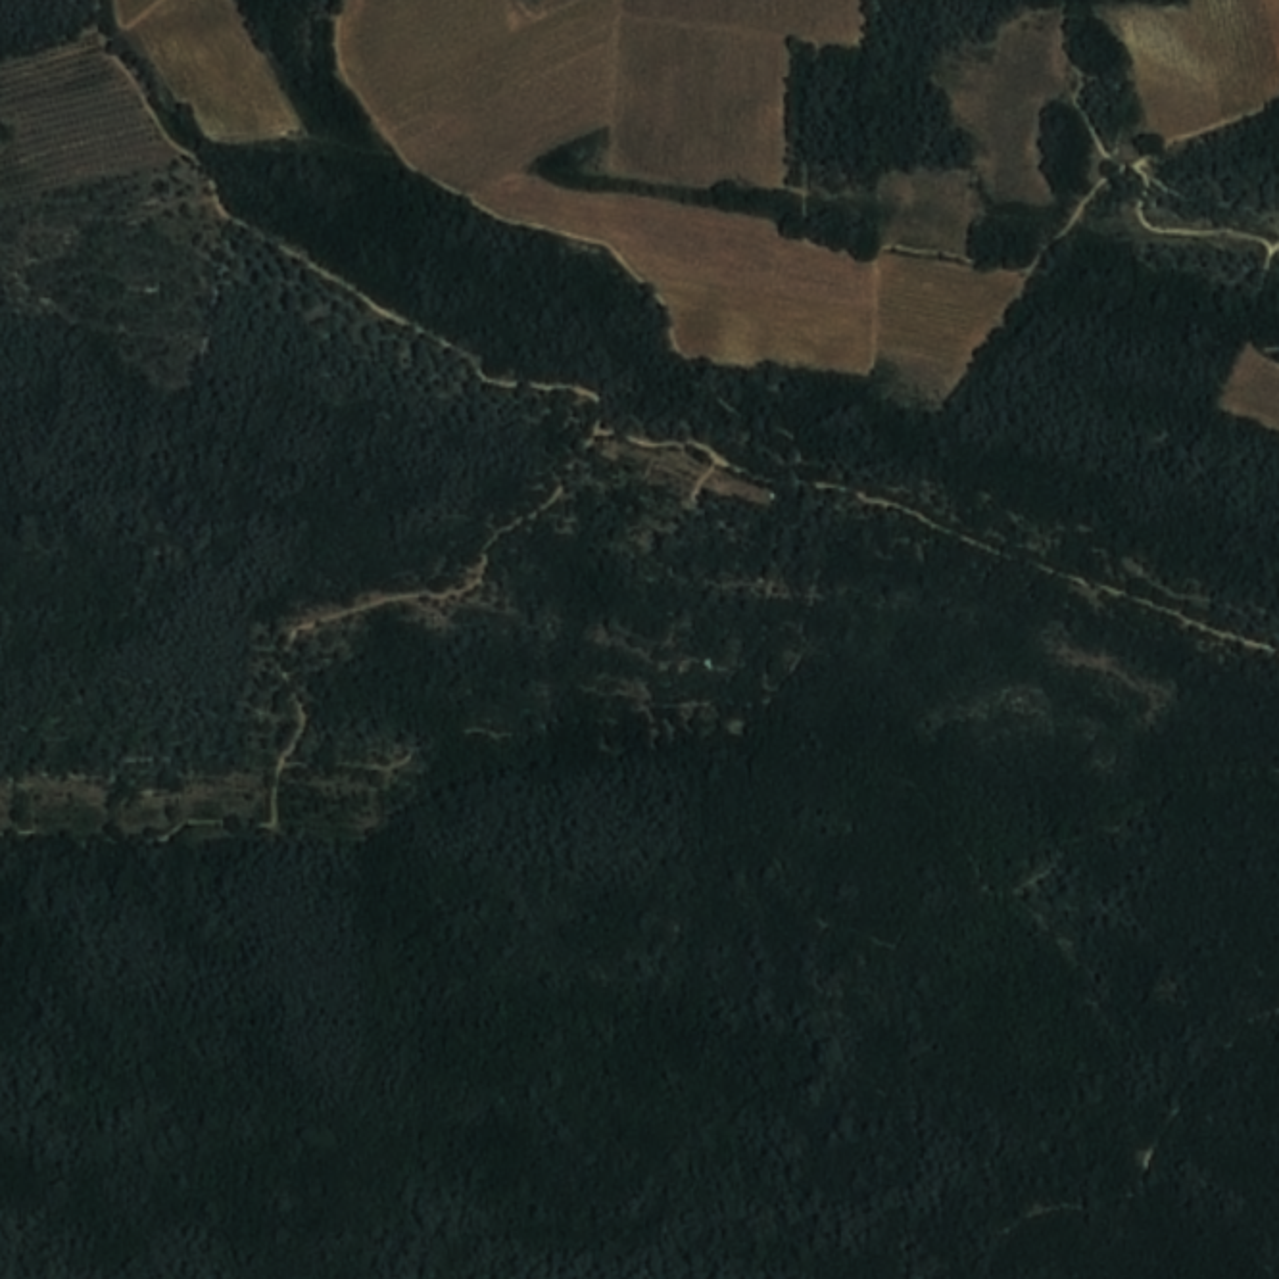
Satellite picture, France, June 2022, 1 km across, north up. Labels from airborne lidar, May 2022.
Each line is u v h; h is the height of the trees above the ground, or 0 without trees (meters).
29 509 6
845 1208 15
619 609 6
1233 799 7
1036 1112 7
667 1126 12
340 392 15
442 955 11
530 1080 9
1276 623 15
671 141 0
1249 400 0
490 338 15
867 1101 7
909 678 6
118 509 18
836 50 10
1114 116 11
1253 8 0
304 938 19
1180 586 7
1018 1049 6
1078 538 8
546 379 7
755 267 0
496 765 11
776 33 0
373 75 0
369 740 17
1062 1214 7
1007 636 11
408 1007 12
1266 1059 8
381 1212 8
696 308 0
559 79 0
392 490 6
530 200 0
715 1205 9
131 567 7
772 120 0
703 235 0
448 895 9
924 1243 8
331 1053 18
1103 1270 6
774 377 15
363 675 6
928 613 8
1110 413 13
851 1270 6
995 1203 14
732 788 9
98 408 14
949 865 9
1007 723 6
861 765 7
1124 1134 10
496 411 19
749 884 8
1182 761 6
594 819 23
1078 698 7
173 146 0
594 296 9
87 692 13
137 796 8
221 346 15
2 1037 7
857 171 11
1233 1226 5
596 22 0
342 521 6
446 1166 8
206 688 16
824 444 9
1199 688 8
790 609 6
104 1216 9
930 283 0
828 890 8
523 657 7
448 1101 12
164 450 14
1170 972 14
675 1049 14
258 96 0
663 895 9
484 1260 19
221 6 0
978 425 16
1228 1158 7
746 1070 11
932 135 16
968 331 0
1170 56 0
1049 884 11
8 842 9
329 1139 14
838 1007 8
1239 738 6
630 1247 11
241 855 8
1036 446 11
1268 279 8
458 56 0
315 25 6
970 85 0
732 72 0
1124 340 10
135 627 10
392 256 13
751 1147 14
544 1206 8
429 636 6
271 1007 11
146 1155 15
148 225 8
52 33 12
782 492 6
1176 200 9
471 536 7
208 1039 14
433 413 11
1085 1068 7
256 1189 10
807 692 9
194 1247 17
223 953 16
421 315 14
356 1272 8
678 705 6
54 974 13
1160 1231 9
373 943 13
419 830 16
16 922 10
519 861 15
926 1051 16
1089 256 9
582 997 16
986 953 8
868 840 7
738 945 7
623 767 12
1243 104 0
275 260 17
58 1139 21
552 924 9
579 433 10
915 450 12
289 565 19
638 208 0
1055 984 8
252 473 14
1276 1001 8
